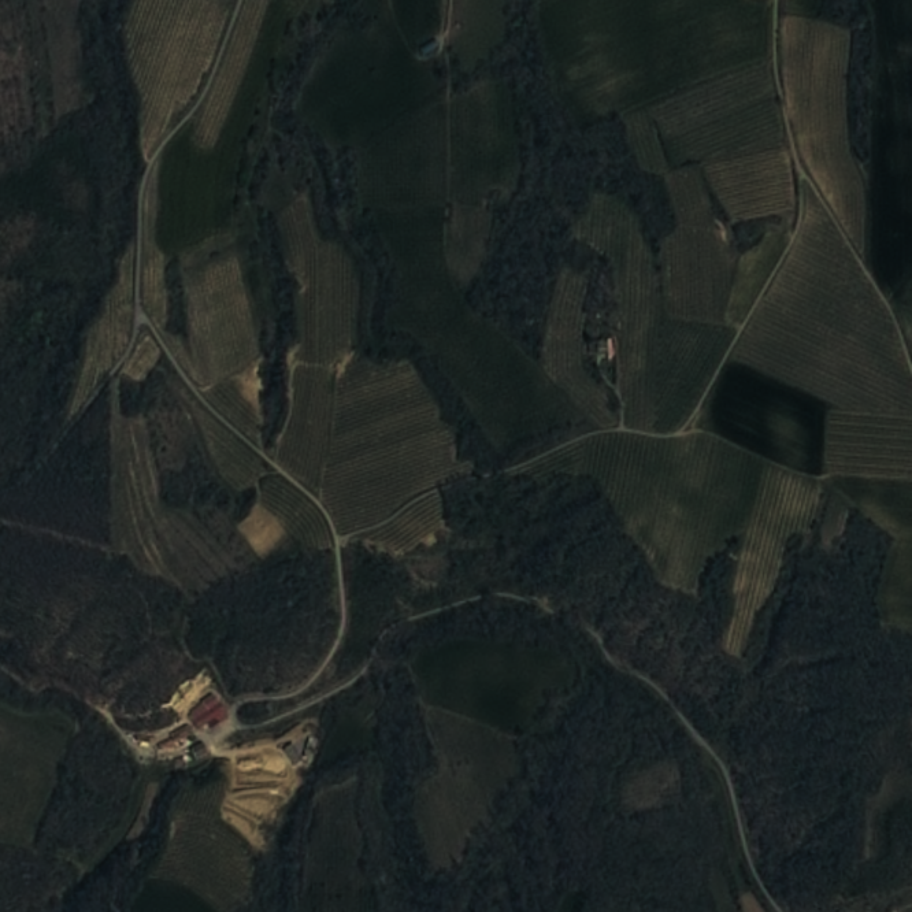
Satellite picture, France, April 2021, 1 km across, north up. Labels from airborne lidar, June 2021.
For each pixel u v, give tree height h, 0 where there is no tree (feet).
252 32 0
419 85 0
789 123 0
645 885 62
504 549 50
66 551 61
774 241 0
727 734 23
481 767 0
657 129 23
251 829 0
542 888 64
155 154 0
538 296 54
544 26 0
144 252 0
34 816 0
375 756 37
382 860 73
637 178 57
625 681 75
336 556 0
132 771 31
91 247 45
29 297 45
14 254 27
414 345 36
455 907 71
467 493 33
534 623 69
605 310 47
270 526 0
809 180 0
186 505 32
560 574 59
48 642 40
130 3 37
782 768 35
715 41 0
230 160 0
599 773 72
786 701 21
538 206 44
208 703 0
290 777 0
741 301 0
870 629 30
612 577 50
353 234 29
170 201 0
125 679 31
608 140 48
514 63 48
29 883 55
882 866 48
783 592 63
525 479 33
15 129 26
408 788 72
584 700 53
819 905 33
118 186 82
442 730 0
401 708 44
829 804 60
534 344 42
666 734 48
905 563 0
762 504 0
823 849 48
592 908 65
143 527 0
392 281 33
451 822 0
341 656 33
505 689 0
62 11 0
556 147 66
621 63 0
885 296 0
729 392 0
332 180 60
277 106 49
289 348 30
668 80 0
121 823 67
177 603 46
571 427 22
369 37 0
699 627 24
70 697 59
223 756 0
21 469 32
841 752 47
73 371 43
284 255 34
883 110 0
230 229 0
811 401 0
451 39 0
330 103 0
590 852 68
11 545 49
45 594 39
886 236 0
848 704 48
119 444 0
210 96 0
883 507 0
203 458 26
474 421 18
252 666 40
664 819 60
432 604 19
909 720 31
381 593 22
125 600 50
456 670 0
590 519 37
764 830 32
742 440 0
